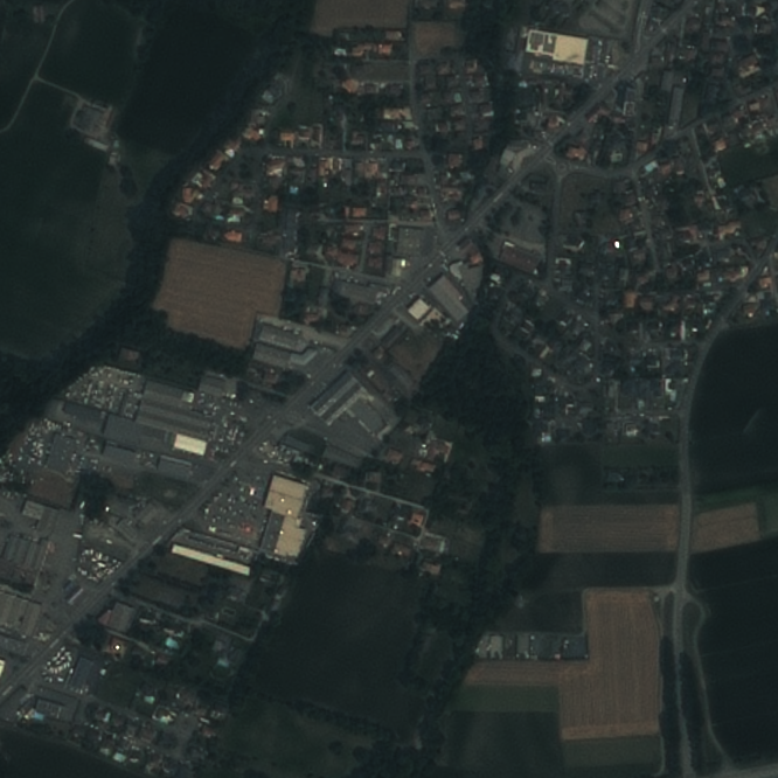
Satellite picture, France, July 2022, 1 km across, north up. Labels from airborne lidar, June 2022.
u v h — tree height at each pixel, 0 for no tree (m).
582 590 0
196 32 0
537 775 0
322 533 8
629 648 0
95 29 0
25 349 0
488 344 23
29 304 0
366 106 7
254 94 6
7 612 0
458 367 11
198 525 0
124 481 0
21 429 13
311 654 0
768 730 0
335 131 9
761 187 7
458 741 0
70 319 0
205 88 0
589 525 0
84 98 0
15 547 0
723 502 0
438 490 6
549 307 0
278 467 0
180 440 0
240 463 0
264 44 17
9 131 0
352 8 0
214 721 7
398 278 0
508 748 0
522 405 20
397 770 28
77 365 17
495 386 19
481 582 9
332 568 0
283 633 0
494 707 0
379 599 0
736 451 0
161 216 18
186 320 0
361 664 0
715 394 0
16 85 0
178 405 0
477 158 25
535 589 0
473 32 20
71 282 0
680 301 8
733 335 0
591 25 0
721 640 0
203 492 0
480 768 0
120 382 0
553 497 0
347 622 0
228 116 18
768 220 0
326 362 0
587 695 0
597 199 0
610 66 0
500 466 15
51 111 0
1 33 0
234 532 0
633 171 0
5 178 0
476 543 0
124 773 0
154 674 8
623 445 0
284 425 0
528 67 0
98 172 0
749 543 0
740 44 21
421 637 12
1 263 0
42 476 0
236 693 10
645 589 0
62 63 0
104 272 0
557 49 0
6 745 0
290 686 0
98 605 0
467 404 16
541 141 0
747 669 0
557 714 0
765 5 14
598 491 0
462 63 0
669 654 20
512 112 8
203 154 14
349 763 0
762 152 0
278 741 0
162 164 0
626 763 0
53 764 0
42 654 0
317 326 17
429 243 0
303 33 13
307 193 14
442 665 0
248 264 0
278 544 0
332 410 0
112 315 10
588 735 0
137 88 0
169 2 20
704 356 0
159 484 0
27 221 0
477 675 0
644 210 0
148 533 0
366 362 13
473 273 0
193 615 12
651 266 10
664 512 0
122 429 0
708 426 0
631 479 17
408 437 0
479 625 21
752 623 0
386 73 0
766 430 0
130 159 0
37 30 0
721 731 0
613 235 0
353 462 0
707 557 0
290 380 11
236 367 9
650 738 0
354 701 0
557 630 0
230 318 0
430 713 14
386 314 0
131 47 0
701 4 0
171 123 0
